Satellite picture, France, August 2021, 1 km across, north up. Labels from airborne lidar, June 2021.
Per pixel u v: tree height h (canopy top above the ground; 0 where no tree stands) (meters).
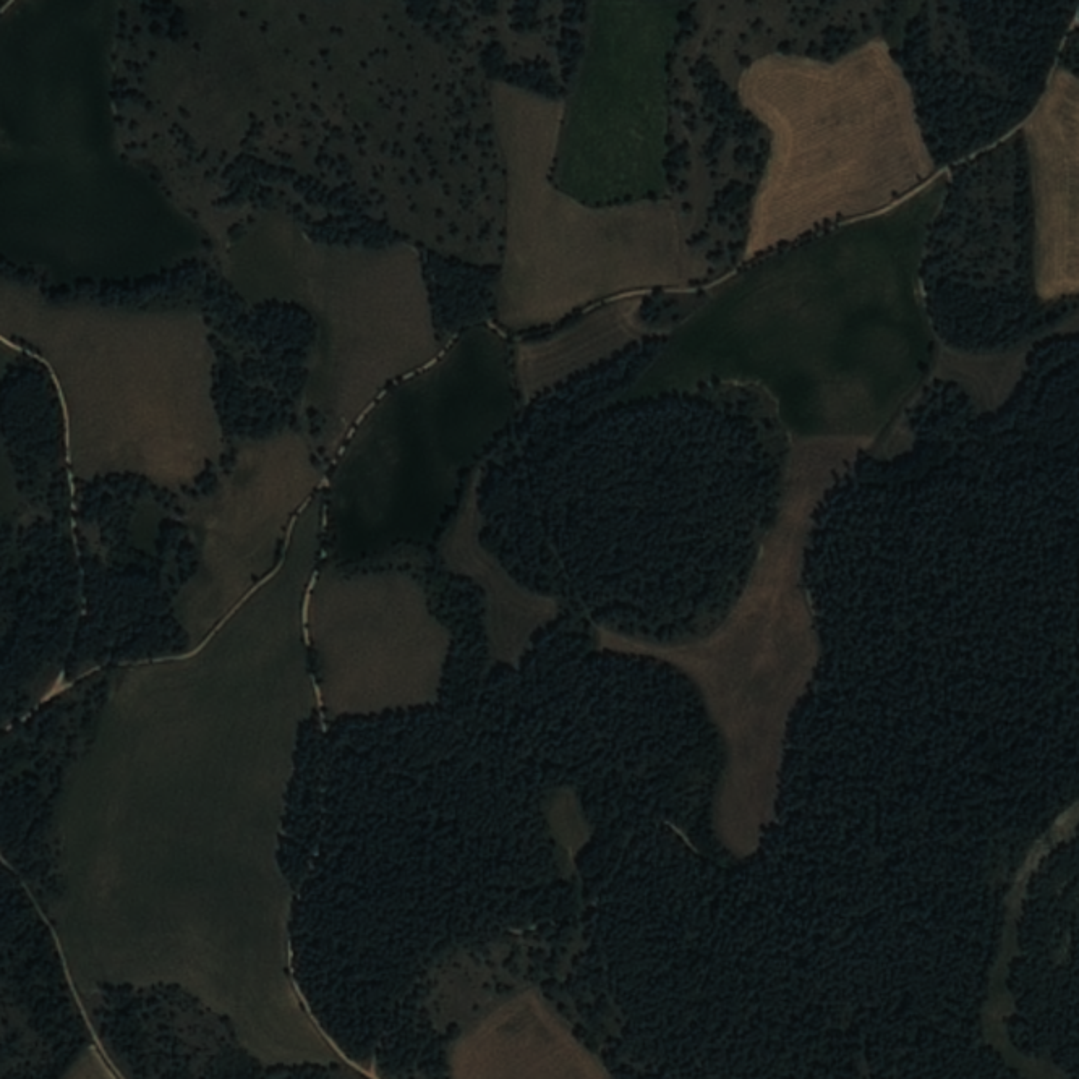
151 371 0
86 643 13
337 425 0
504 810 16
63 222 0
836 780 13
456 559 0
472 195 6
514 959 10
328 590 0
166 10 8
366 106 0
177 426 0
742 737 0
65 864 0
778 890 13
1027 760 14
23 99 0
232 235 9
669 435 15
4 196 0
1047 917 13
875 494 14
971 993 15
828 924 16
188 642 12
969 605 8
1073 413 13
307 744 14
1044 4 10
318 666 11
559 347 0
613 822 6
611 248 0
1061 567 16
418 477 0
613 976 10
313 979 9
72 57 0
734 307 0
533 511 15
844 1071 14
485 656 13
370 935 13
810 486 0
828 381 0
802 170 0
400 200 0
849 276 0
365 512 0
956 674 9
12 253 0
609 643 0
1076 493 20
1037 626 15
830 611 13
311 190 10
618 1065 8
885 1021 13
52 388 12
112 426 0
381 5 0
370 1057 10
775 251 8
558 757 17
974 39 8
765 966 14
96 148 0
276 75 0
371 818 14
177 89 0
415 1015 12
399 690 0
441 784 15
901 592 10
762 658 0
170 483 0
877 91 0
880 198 0
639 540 15
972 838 13
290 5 0
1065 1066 13
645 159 0
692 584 15
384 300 0
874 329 0
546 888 6
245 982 0
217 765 0
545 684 13
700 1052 12
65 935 0
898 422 0
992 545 14
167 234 0
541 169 0
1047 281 0
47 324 0
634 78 0
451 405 0
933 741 18
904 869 16
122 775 0
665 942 14
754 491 13
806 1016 12
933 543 14
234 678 0
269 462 0
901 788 7
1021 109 10
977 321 14
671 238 0
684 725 13
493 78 7
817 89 0
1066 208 0
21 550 8
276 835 0
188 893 0
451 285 10
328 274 0
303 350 9
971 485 18
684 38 7
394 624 0
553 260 0
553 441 10
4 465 0
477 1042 0
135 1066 8
